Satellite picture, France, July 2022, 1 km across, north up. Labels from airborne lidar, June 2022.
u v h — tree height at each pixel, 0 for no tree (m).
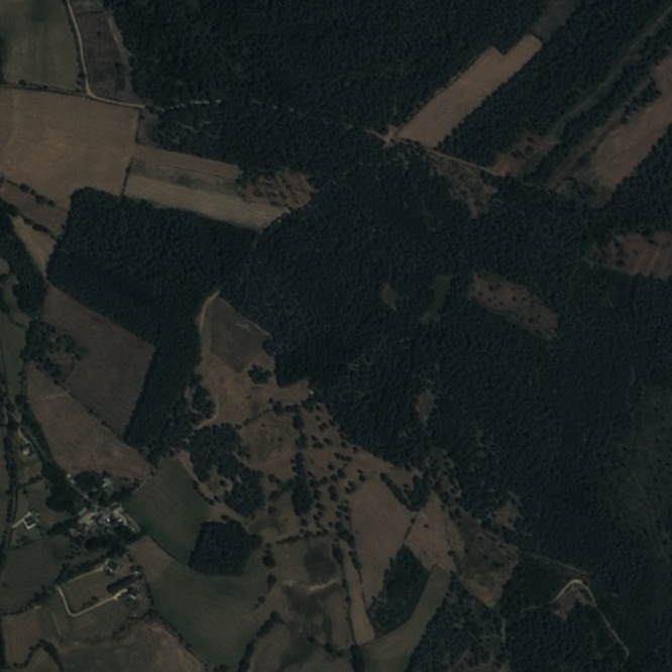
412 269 12
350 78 16
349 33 20
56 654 8
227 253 16
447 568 0
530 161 0
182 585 0
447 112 0
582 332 11
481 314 15
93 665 0
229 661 0
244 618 0
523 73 14
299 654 0
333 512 0
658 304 21
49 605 0
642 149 0
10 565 0
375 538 0
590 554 15
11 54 0
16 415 0
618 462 15
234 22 15
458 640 17
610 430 17
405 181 9
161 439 13
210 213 0
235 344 0
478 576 0
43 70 0
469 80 0
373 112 12
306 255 18
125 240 18
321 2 18
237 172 0
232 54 10
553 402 13
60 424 0
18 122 0
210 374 0
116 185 0
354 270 14
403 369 15
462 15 18
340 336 16
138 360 0
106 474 14
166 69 6
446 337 15
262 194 16
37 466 0
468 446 13
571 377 14
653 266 0
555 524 16
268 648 0
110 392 0
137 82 14
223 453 15
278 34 9
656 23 0
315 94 18
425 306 14
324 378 18
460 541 0
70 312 0
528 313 0
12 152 0
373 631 0
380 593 0
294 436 0
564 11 0
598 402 16
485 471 8
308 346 15
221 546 24
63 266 23
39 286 13
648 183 14
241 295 13
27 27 0
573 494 13
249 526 0
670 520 9
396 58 19
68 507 14
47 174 0
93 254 14
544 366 9
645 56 18
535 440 16
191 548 0
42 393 0
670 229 14
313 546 0
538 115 19
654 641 6
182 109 12
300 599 0
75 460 0
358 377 14
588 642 14
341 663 0
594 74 17
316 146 15
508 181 11
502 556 0
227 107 19
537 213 18
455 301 15
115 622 0
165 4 16
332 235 20
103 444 0
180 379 20
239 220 0
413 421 19
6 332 0
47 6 0
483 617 8
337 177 16
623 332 12
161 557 0
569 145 14
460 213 12
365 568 0
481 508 14
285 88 11
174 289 19
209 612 0
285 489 11
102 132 0
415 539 0
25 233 0
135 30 17
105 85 0
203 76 15
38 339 20
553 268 7
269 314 16
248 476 20
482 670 0
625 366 13
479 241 19
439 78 18
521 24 17
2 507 0
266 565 13
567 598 0
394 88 15
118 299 22
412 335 12
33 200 0
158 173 0
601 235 8
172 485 0
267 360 0
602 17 18
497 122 15
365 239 18
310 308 17
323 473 0
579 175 0
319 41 20
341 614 0
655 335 10
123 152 0
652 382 8
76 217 16
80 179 0
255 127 23
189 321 19
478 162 11
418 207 12
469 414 11
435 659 15
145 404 21
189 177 0
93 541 14
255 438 0
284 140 13
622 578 22
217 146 16
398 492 13
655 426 0
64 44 0
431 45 10
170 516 0
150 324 22
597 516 13
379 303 11
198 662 0
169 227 16
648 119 0
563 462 10
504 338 17
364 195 11
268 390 0
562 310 12
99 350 0
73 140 0
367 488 0
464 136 16
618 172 0
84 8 0
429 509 0
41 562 0
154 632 0
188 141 18
